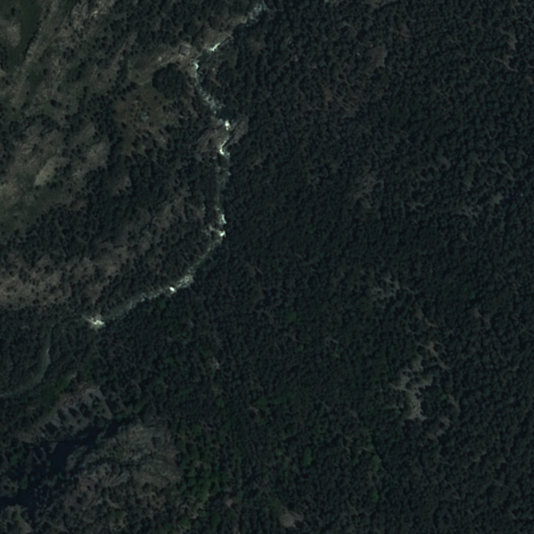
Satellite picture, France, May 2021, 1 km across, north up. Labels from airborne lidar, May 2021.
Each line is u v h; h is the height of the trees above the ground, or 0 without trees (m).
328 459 24
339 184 27
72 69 12
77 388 21
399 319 24
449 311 29
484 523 26
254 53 25
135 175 26
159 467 0
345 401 25
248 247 27
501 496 28
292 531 10
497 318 23
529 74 30
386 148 27
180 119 0
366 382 19
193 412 29
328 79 27
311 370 19
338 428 26
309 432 21
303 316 21
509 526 31
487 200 21
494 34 20
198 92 18
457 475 18
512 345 25
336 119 28
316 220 21
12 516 19
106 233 28
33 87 0
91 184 19
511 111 25
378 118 29
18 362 28
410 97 29
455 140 32
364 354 15
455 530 24
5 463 28
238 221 21
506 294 34
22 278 16
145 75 0
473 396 25
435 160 20
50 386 19
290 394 25
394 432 23
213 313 19
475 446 21
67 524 9
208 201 17
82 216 28
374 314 14
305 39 22
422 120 23
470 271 20
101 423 23
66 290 17
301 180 24
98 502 0
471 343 24
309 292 25
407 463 22
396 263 28
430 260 23
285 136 25
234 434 13
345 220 29
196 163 25
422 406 0
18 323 31
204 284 21
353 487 16
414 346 12
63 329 17
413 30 23
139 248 18
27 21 0
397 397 18
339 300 18
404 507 25
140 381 31
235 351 29
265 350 29
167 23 17
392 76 30
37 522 21
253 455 17
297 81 26
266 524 33
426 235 22
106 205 28
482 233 22
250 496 14
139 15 16
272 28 25
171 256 22
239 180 24
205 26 14
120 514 18
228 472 27
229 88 16
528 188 27
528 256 22
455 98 21
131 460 7
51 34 0
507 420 24
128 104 0
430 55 20
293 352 22
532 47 30
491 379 21
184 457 21
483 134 28
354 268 25
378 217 16
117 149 32
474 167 21
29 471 33
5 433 17
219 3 20
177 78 28
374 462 28
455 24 18
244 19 0
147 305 23
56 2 0
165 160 23
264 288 25
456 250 31
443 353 10
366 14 17
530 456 26
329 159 22
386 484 22
